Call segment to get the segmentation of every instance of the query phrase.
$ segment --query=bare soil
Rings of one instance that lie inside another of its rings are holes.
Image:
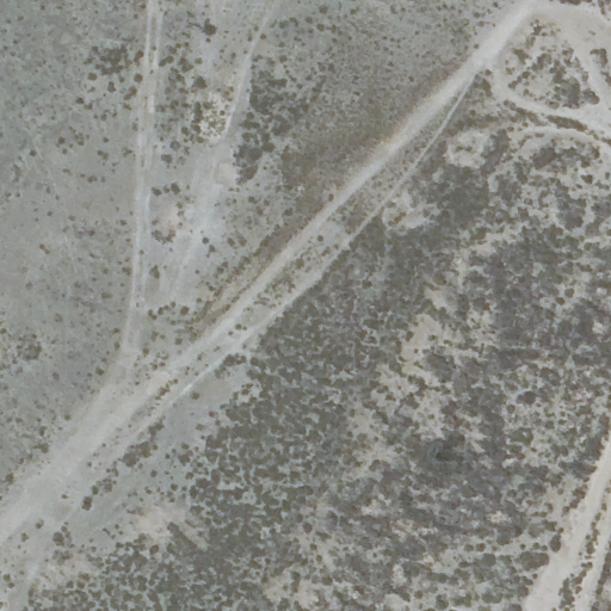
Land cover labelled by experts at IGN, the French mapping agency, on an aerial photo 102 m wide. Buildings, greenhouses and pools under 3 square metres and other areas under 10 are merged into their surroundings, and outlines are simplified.
[[[585,547],[585,537],[590,535],[590,523],[599,504],[609,506],[606,516],[599,523],[599,539],[592,554],[592,568],[582,580],[582,590],[573,601],[573,611],[590,611],[611,539],[611,432],[604,442],[597,470],[590,475],[590,489],[585,499],[575,511],[570,511],[570,530],[563,532],[561,549],[549,558],[547,566],[539,568],[539,580],[525,597],[523,611],[551,611],[561,601],[563,580],[575,575],[582,566],[578,551]]]
[[[255,177],[248,181],[236,179],[236,150],[241,148],[243,117],[251,107],[251,60],[253,55],[279,57],[274,31],[270,26],[272,19],[282,21],[291,17],[308,17],[310,10],[317,10],[320,5],[327,5],[332,14],[346,14],[348,21],[377,21],[382,17],[387,24],[387,36],[401,38],[401,48],[396,48],[394,53],[408,57],[415,53],[434,50],[451,62],[456,74],[437,93],[420,103],[389,141],[379,143],[372,150],[370,162],[365,162],[346,181],[339,196],[334,196],[334,200],[327,203],[322,212],[284,246],[284,251],[265,267],[265,272],[248,289],[248,294],[243,294],[243,298],[210,332],[205,332],[193,344],[179,346],[174,341],[177,332],[184,329],[184,325],[148,320],[148,310],[158,310],[167,303],[196,310],[196,298],[208,298],[210,291],[205,286],[198,286],[193,270],[212,272],[220,263],[229,263],[234,258],[234,251],[224,236],[224,222],[215,215],[215,200],[248,196],[265,198],[270,172],[255,172]],[[81,573],[100,575],[95,566],[88,563],[88,558],[107,558],[107,554],[112,554],[115,544],[119,542],[134,542],[138,535],[148,535],[155,544],[169,542],[169,523],[179,525],[181,520],[186,520],[186,511],[167,501],[167,489],[169,485],[193,485],[186,477],[191,465],[181,461],[165,461],[165,453],[179,449],[181,444],[205,449],[208,437],[215,437],[222,427],[232,427],[227,406],[239,406],[260,396],[260,382],[248,377],[248,370],[243,365],[234,365],[224,379],[215,377],[220,363],[227,356],[253,358],[260,334],[265,334],[265,329],[284,315],[289,306],[294,306],[298,296],[303,296],[329,270],[329,265],[353,241],[346,234],[344,224],[329,222],[339,212],[339,208],[351,196],[356,196],[363,189],[363,184],[370,181],[406,143],[411,143],[418,136],[418,131],[458,91],[465,93],[468,86],[475,81],[477,72],[489,69],[496,62],[501,48],[506,48],[513,31],[523,21],[535,17],[542,24],[554,21],[558,26],[558,33],[573,48],[573,57],[578,57],[585,67],[590,76],[590,88],[597,93],[599,103],[587,103],[580,107],[558,107],[558,117],[587,124],[582,131],[563,129],[556,124],[527,124],[513,131],[508,138],[520,141],[527,134],[570,136],[575,141],[599,148],[599,160],[590,167],[582,167],[585,174],[601,179],[606,172],[611,172],[611,86],[601,79],[599,60],[592,55],[592,50],[604,48],[611,62],[611,0],[0,0],[0,611],[24,611],[29,601],[29,587],[57,590],[62,582],[79,578]],[[155,422],[162,422],[162,432],[158,434],[158,449],[148,458],[136,461],[136,465],[126,465],[124,453],[131,444],[148,442],[148,427]]]

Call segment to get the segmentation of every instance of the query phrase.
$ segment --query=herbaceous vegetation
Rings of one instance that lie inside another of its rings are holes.
[[[158,449],[158,434],[162,432],[162,422],[155,422],[148,427],[148,442],[131,444],[124,453],[126,465],[136,465],[136,461],[148,458]]]
[[[582,566],[575,575],[563,580],[561,601],[551,611],[573,611],[573,601],[582,590],[582,580],[592,568],[592,554],[599,539],[599,523],[606,516],[609,506],[599,504],[590,523],[590,535],[585,537],[585,547],[578,551]]]
[[[592,50],[592,55],[599,60],[601,79],[611,86],[611,62],[604,48]]]
[[[88,563],[95,566],[100,575],[81,573],[79,578],[62,582],[57,590],[29,587],[29,601],[24,611],[523,611],[525,597],[539,580],[539,568],[547,566],[549,558],[561,549],[563,532],[570,530],[570,511],[575,511],[585,499],[590,489],[590,475],[597,470],[604,442],[611,432],[611,172],[606,172],[601,179],[585,174],[582,167],[590,167],[599,160],[599,148],[575,141],[570,136],[527,134],[520,141],[508,138],[513,131],[527,124],[556,124],[563,129],[582,131],[587,124],[558,117],[558,107],[580,107],[587,103],[599,103],[597,93],[590,88],[590,76],[585,67],[578,57],[573,57],[573,48],[558,33],[558,26],[554,21],[542,24],[535,17],[523,21],[513,31],[506,48],[501,48],[496,62],[489,69],[477,72],[475,81],[468,86],[465,93],[458,91],[418,131],[418,136],[411,143],[406,143],[370,181],[363,184],[363,189],[356,196],[351,196],[339,208],[339,212],[329,222],[344,224],[346,234],[353,241],[329,265],[329,270],[303,296],[298,296],[294,306],[289,306],[284,315],[265,329],[265,334],[260,334],[253,358],[227,356],[220,363],[215,377],[224,379],[234,365],[243,365],[248,370],[248,377],[260,382],[260,396],[239,406],[227,406],[232,427],[222,427],[215,437],[208,437],[205,449],[181,444],[179,449],[165,453],[165,461],[181,461],[191,465],[186,477],[193,485],[169,485],[167,489],[167,501],[186,511],[186,520],[181,520],[179,525],[169,523],[169,542],[155,544],[148,535],[138,535],[134,542],[119,542],[115,544],[112,554],[107,554],[107,558],[88,558]]]
[[[215,215],[224,222],[224,236],[234,251],[234,258],[229,263],[220,263],[212,272],[193,270],[198,286],[205,286],[210,291],[208,298],[196,298],[196,310],[167,303],[158,310],[148,310],[148,320],[184,325],[184,329],[177,332],[174,341],[179,346],[193,344],[205,332],[210,332],[243,298],[243,294],[248,294],[248,289],[265,272],[265,267],[284,251],[284,246],[322,212],[327,203],[334,200],[334,196],[339,196],[346,181],[365,162],[370,162],[372,150],[379,143],[389,141],[420,103],[437,93],[456,74],[451,62],[434,50],[415,53],[408,57],[394,53],[396,48],[401,48],[401,38],[387,36],[387,24],[382,17],[377,21],[348,21],[346,14],[332,14],[327,5],[320,5],[317,10],[310,10],[308,17],[291,17],[282,21],[272,19],[270,26],[274,31],[279,57],[253,55],[251,60],[251,107],[243,117],[241,148],[236,150],[236,179],[248,181],[255,177],[255,172],[270,172],[265,198],[248,196],[215,200]]]
[[[590,611],[611,611],[611,539]]]

